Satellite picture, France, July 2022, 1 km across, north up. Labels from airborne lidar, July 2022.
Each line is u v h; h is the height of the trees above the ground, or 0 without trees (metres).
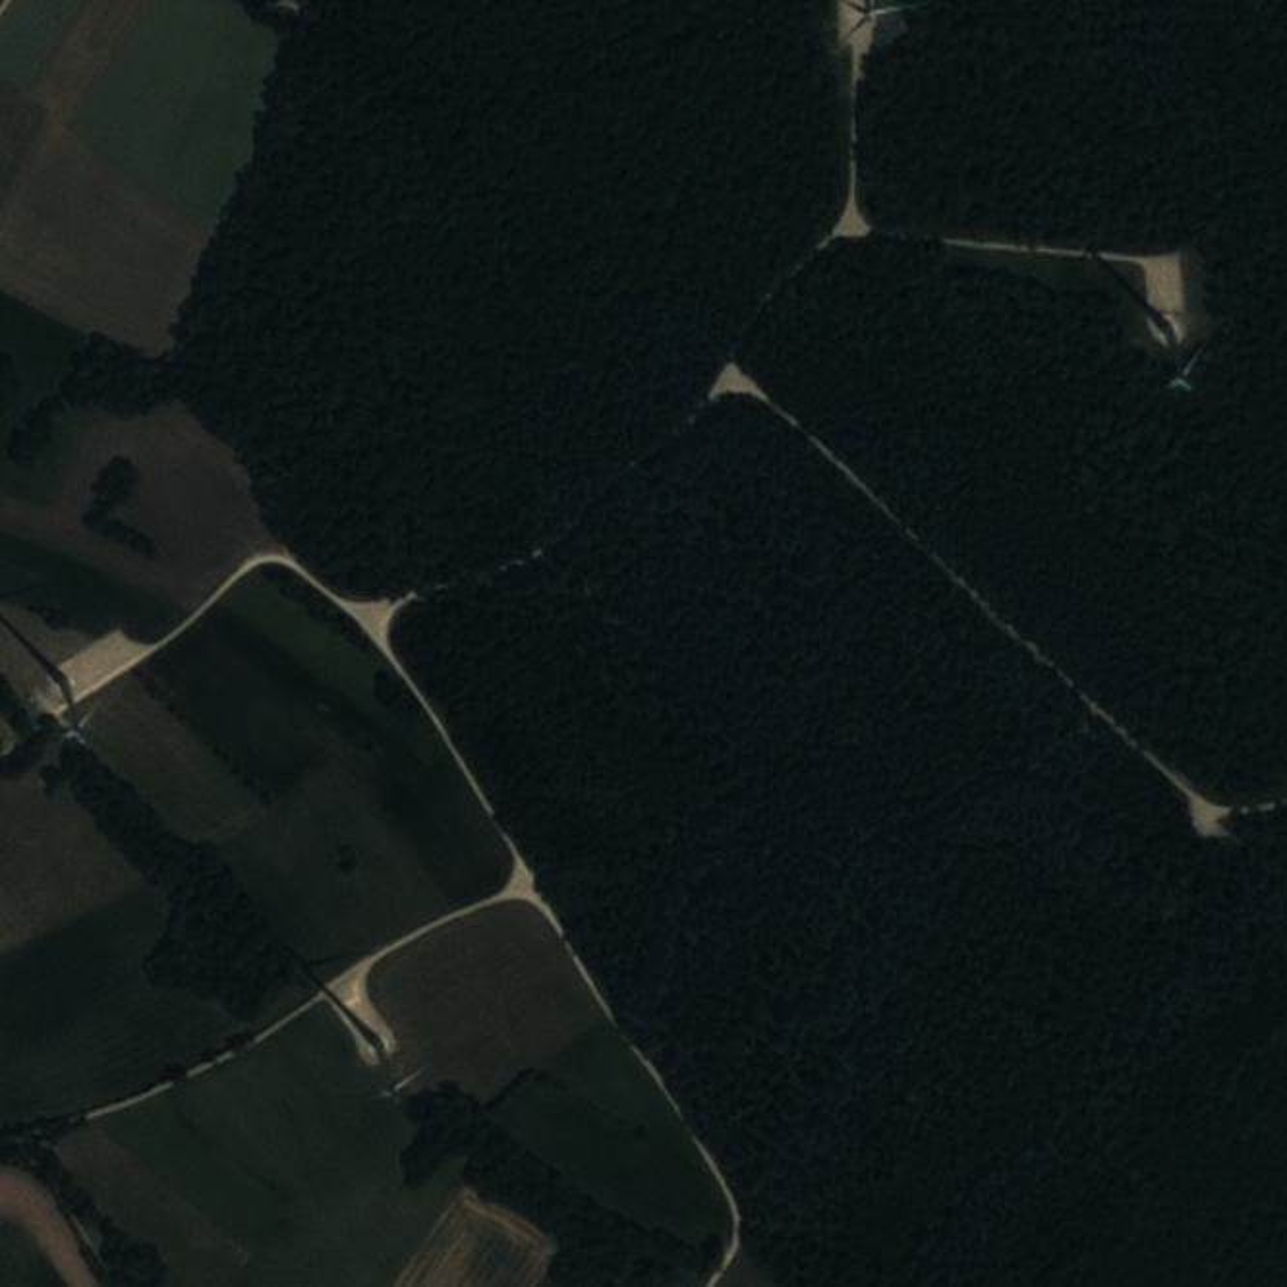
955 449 22
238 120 0
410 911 0
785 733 28
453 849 0
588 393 17
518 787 11
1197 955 18
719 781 17
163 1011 0
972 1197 29
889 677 22
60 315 0
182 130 0
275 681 0
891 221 19
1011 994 15
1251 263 20
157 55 0
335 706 0
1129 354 9
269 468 33
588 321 20
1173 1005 7
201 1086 0
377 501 18
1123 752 20
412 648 10
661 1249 14
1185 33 22
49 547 0
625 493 34
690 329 27
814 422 15
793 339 15
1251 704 17
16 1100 0
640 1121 0
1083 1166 16
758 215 19
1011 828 30
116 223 0
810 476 21
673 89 17
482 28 19
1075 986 15
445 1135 16
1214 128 30
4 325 0
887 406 11
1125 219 18
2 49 0
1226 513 13
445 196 20
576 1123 0
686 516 36
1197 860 10
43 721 11
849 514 21
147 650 0
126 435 0
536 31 21
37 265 0
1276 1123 22
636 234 19
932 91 17
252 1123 0
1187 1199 18
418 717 20
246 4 13
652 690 20
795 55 14
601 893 16
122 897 0
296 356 18
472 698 9
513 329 18
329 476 20
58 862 0
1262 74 18
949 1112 19
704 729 13
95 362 15
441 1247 0
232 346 18
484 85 20
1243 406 16
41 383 0
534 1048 0
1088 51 25
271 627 0
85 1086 0
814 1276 20
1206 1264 23
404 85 15
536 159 19
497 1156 20
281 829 0
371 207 24
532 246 19
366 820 0
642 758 14
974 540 19
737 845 24
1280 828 19
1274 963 14
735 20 15
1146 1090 17
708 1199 0
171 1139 0
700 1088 15
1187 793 0
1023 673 28
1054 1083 18
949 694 6
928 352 12
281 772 0
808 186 17
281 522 24
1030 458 16
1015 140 18
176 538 0
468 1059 0
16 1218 0
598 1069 0
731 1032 24
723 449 30
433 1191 0
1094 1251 19
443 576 18
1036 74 23
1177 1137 22
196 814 0
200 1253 0
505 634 11
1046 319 16
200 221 0
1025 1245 18
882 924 32
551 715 15
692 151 19
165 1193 0
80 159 0
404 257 17
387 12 19
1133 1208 21
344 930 0
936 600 25
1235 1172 17
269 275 21
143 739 0
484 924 0
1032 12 22
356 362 22
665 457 27
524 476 18
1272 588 19
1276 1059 19
